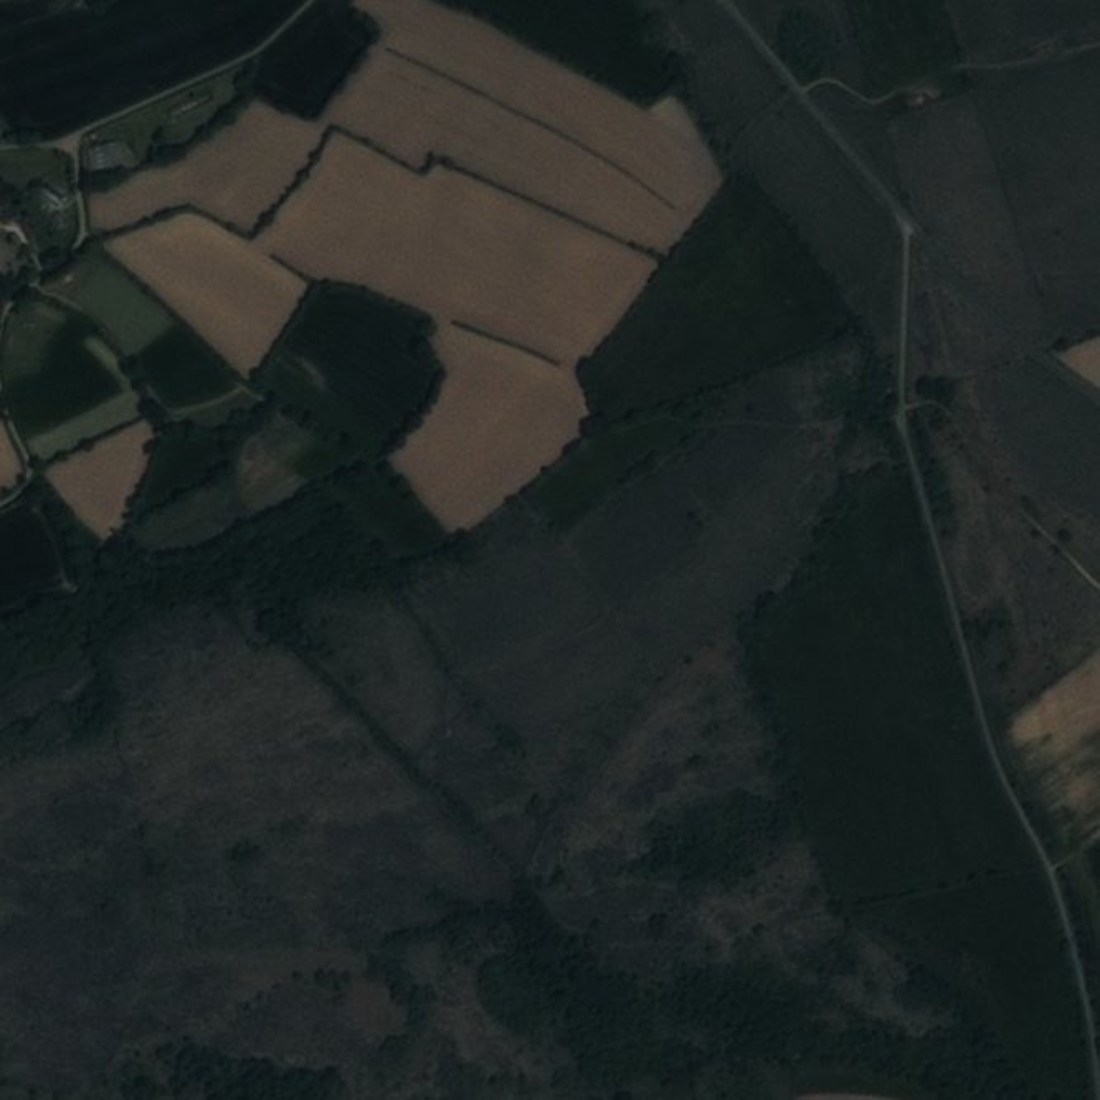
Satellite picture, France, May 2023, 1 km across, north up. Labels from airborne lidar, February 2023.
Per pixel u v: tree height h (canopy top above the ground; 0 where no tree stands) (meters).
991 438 0
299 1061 0
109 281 0
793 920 0
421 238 0
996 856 0
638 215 0
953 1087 14
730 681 0
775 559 0
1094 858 0
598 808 0
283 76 0
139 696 0
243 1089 16
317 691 0
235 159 0
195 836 0
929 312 0
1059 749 0
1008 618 0
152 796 0
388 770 0
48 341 0
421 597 0
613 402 0
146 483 9
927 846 0
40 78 0
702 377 0
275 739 0
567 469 0
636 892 0
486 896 0
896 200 0
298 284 0
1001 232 0
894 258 0
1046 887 0
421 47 0
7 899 0
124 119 0
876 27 0
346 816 0
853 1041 7
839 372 0
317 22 0
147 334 0
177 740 0
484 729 0
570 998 8
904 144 0
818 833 0
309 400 0
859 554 0
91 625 10
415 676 0
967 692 0
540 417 0
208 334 0
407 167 6
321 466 0
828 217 0
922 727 0
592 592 0
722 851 10
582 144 0
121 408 0
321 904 0
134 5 0
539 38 0
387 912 0
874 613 0
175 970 0
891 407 9
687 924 0
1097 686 0
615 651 0
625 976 9
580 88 0
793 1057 8
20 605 0
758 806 7
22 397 0
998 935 0
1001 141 0
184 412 0
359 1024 0
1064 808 0
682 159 0
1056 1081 0
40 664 8
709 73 0
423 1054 0
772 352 0
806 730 0
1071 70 0
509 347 0
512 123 0
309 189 0
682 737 0
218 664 0
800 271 0
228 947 0
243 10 0
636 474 6
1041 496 0
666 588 0
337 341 0
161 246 0
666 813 0
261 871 0
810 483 0
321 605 0
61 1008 0
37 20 0
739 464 0
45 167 0
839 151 0
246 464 0
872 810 0
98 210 0
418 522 0
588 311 0
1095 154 0
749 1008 14
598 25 0
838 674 0
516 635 0
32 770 0
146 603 15
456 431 0
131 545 17
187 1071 12
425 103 0
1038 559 0
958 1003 11
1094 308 0
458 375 0
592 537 0
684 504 0
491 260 0
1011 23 0
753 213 0
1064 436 0
